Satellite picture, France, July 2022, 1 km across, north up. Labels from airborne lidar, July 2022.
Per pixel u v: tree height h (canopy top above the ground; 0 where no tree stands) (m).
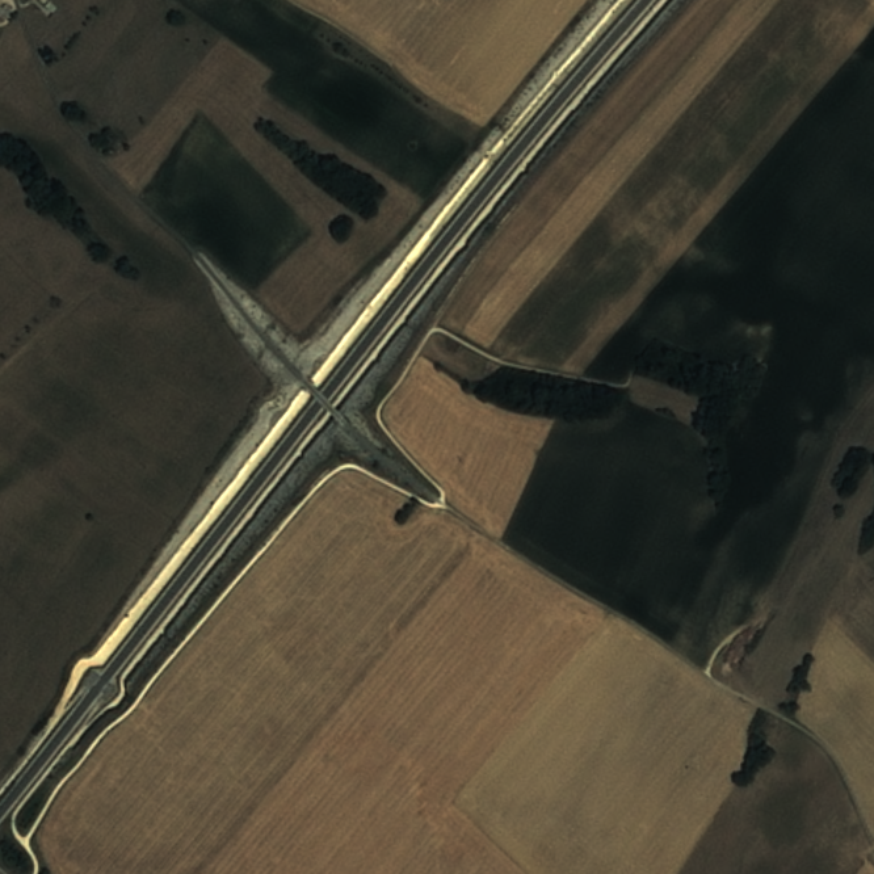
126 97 0
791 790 0
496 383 7
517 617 0
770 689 0
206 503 0
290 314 0
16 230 0
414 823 0
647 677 0
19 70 0
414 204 0
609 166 0
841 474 6
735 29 0
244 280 0
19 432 0
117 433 0
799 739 0
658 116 0
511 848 0
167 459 0
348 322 0
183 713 0
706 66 0
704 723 0
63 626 0
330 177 17
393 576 0
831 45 0
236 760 0
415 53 0
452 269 0
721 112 0
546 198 0
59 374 0
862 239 0
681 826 0
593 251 0
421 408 0
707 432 19
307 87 0
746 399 13
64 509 0
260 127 11
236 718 0
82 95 0
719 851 0
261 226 0
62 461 0
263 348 0
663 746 0
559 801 0
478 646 0
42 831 0
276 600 0
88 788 0
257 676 0
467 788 0
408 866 0
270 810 0
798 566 0
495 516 0
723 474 16
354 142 0
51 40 0
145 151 0
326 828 0
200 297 0
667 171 0
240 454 0
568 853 0
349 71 0
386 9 0
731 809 0
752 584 0
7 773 0
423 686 0
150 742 0
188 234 0
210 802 0
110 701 0
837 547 0
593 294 0
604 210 0
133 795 0
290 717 0
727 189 0
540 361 0
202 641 0
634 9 0
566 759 0
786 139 0
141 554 0
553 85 0
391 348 0
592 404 26
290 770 0
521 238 0
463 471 0
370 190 18
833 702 0
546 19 0
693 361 6
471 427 0
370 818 0
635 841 0
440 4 0
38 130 0
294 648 0
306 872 0
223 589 0
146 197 0
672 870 0
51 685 0
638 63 0
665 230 0
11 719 0
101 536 0
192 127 0
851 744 0
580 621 0
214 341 0
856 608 0
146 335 0
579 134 0
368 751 0
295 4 0
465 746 0
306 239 0
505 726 0
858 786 0
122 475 0
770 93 0
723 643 0
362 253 0
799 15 0
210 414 0
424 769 0
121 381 0
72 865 0
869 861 0
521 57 0
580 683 0
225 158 0
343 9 0
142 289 0
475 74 0
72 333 0
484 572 0
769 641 0
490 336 0
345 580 0
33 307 0
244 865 0
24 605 0
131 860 0
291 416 0
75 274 0
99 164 0
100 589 0
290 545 0
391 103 0
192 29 0
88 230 14
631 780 0
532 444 0
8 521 0
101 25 0
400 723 0
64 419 0
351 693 0
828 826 0
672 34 0
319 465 0
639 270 0
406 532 0
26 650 0
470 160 0
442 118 0
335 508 0
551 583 0
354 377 0
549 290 0
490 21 0
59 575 0
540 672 0
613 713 0
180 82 0
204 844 0
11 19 8
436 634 0
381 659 0
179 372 0
